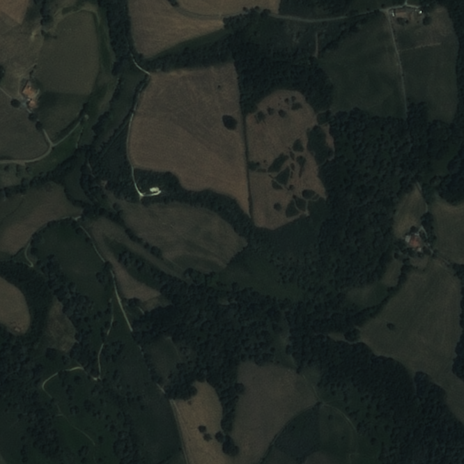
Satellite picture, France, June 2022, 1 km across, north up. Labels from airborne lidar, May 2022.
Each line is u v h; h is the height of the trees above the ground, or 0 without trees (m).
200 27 0
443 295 0
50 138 0
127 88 0
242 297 13
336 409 0
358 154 10
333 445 0
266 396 0
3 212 0
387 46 0
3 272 7
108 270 6
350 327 22
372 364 32
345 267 11
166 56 7
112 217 15
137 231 0
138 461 19
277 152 0
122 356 10
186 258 0
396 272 0
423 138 11
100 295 0
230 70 0
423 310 0
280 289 0
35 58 0
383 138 10
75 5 0
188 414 0
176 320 18
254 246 8
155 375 12
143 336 16
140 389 0
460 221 0
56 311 0
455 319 0
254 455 0
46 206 0
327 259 12
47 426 19
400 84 0
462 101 7
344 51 0
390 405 21
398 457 11
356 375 27
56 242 0
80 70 0
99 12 0
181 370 11
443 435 29
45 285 11
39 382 13
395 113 0
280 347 0
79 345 13
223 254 0
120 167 8
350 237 14
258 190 0
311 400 0
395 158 10
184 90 0
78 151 12
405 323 0
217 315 19
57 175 15
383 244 19
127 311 0
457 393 0
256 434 0
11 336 25
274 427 0
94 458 0
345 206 16
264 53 10
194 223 0
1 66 8
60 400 0
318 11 0
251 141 0
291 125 0
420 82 0
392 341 0
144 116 0
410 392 28
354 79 0
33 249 10
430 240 8
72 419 0
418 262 0
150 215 0
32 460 0
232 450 21
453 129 27
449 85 0
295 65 6
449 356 0
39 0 13
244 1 0
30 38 0
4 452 0
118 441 9
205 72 0
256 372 0
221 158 0
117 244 0
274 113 6
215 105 0
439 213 0
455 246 0
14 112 0
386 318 0
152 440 0
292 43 0
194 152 0
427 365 0
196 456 0
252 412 0
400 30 0
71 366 0
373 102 0
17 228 0
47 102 0
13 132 0
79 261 0
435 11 0
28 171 10
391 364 29
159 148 0
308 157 0
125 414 9
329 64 0
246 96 13
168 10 0
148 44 0
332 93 10
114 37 12
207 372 17
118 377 12
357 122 18
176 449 0
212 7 0
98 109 0
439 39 0
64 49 0
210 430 0
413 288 0
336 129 19
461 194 23
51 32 0
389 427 13
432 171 11
